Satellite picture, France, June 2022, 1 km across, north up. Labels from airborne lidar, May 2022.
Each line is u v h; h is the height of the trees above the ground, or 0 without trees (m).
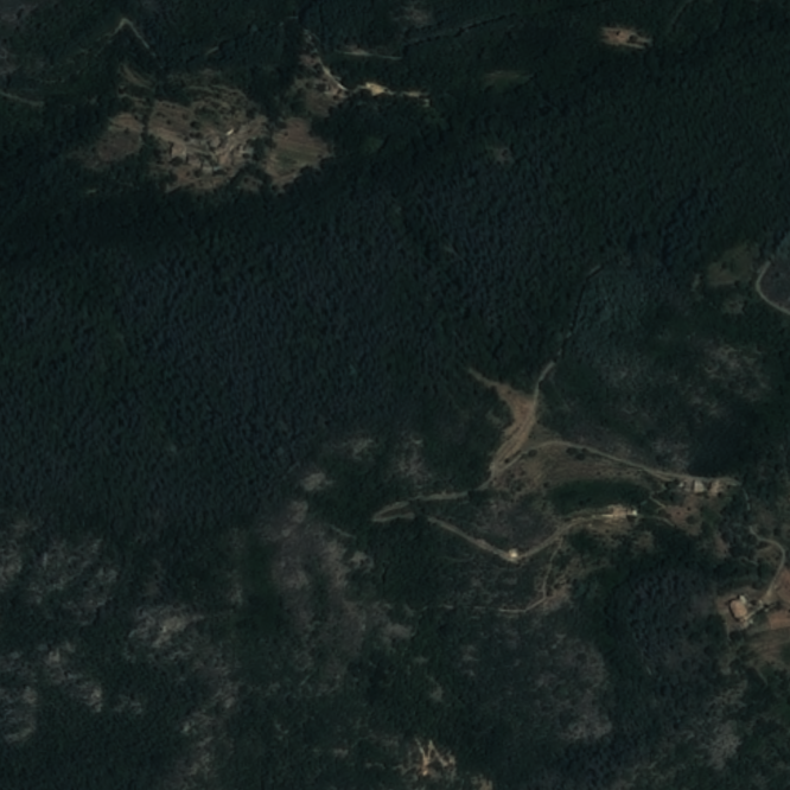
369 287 10
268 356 26
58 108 17
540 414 0
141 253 12
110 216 31
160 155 7
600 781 19
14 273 16
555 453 0
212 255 18
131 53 10
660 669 11
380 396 16
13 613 19
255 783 14
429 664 10
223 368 16
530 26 14
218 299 16
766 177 20
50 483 14
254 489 18
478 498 8
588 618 14
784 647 0
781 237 12
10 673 8
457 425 7
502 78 0
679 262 28
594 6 15
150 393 15
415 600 14
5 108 15
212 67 21
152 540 8
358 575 7
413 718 15
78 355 22
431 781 7
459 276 23
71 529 7
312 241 17
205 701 11
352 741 7
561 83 22
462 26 28
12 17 0
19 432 10
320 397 17
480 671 9
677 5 10
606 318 15
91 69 13
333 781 9
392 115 23
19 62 7
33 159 20
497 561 6
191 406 17
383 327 17
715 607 0
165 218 14
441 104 16
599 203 14
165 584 9
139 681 10
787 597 0
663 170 16
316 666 7
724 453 16
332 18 23
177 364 18
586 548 8
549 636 6
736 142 18
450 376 19
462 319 8
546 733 9
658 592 14
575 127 21
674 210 16
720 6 7
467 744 12
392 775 7
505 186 17
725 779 9
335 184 21
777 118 13
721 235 21
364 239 16
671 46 10
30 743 11
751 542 11
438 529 10
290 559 0
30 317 26
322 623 8
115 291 20
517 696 6
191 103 14
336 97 9
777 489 11
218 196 6
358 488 6
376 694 16
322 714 10
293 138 0
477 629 9
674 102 18
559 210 15
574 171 19
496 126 28
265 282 11
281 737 7
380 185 19
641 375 6
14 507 8
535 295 16
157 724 9
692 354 6
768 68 14
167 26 12
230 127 0
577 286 12
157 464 7
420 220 21
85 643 11
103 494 12
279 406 20
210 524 13
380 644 6
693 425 11
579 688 6
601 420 7
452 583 5
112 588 8
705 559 9
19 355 20
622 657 8
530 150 19
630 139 15
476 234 22
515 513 0
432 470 8
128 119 0
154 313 23
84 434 10
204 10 10
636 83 22
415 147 15
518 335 10
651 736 11
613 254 13
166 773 7
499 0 23
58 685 7
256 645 7
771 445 7
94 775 12
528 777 12
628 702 9
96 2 17
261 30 16
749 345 10
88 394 19
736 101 19
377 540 9
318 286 21
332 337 14
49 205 10
